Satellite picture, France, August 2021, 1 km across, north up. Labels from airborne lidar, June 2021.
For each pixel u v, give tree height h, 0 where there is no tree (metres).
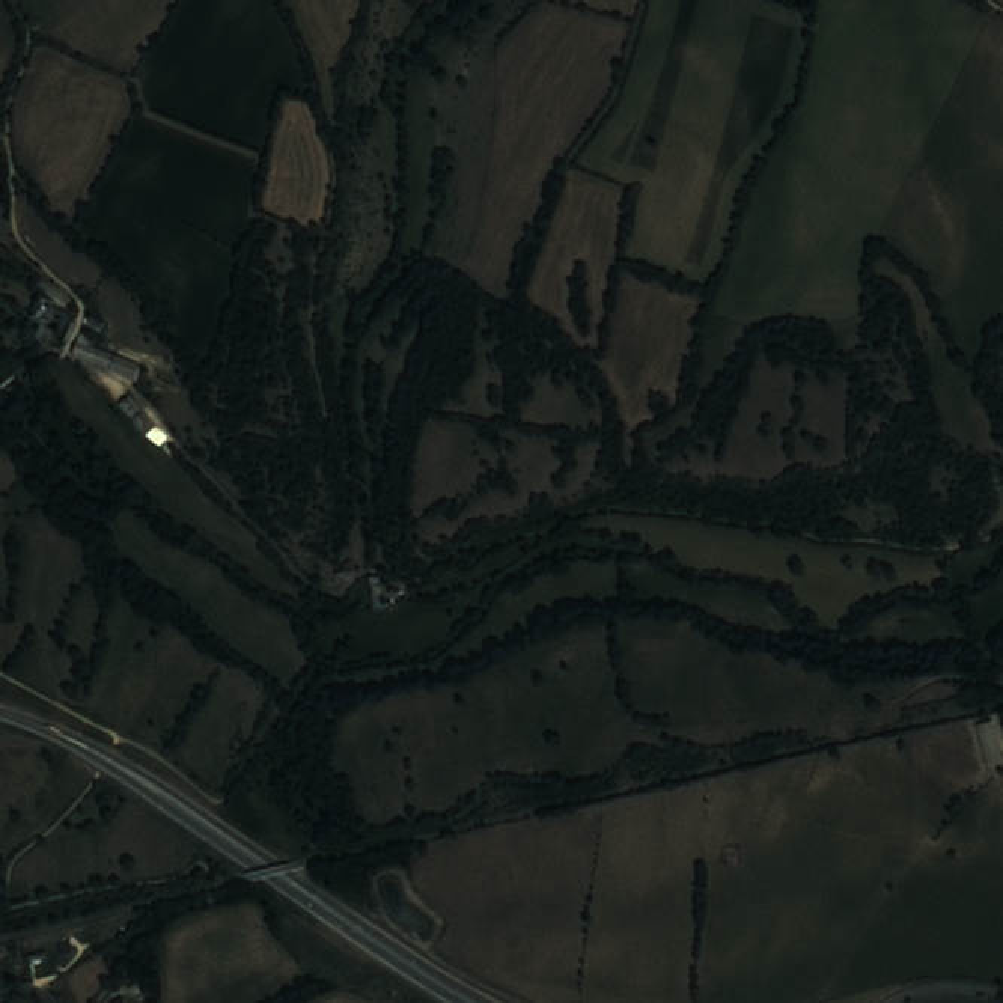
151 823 0
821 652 21
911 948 0
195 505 0
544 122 0
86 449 8
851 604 0
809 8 10
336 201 8
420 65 14
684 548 0
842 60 0
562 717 0
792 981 0
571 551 7
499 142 0
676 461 0
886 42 0
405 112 9
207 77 0
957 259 0
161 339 11
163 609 22
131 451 0
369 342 0
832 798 0
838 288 0
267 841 0
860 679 13
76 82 0
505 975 0
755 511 13
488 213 0
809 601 0
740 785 0
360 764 0
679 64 0
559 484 10
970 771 0
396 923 0
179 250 0
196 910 11
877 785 0
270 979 0
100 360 0
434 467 0
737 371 11
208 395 6
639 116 0
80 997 0
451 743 0
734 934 0
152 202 0
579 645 0
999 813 0
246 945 0
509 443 9
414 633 0
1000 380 10
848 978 0
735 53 0
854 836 0
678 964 0
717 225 0
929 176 0
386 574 10
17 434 6
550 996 0
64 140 0
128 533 0
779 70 0
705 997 0
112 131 0
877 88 0
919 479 9
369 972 0
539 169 0
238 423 7
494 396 10
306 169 0
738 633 13
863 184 0
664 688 0
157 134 0
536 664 0
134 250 0
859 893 0
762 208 0
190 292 0
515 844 0
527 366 12
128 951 10
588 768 0
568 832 0
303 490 7
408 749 0
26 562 0
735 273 0
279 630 0
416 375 14
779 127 12
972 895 0
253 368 10
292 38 8
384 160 0
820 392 0
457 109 0
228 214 0
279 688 12
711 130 0
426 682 15
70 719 0
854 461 7
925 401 16
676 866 0
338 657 10
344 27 0
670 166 0
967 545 12
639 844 0
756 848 0
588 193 0
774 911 0
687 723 0
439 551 9
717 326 0
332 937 0
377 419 15
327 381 13
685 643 0
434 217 13
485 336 11
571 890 0
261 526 11
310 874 12
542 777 6
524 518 12
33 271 7
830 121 0
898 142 0
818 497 11
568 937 0
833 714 0
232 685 0
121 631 0
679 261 0
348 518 14
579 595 0
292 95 8
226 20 0
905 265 11
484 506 0
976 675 14
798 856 0
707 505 16
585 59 0
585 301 8
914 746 0
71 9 0
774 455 0
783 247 0
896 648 18
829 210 0
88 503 16
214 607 0
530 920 0
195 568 0
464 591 14
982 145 0
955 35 0
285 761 8
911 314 11
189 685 0
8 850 0
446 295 15
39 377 29
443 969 0
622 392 0
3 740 0
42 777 0
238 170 0
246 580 10
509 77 0
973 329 0
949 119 0
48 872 0
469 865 0
